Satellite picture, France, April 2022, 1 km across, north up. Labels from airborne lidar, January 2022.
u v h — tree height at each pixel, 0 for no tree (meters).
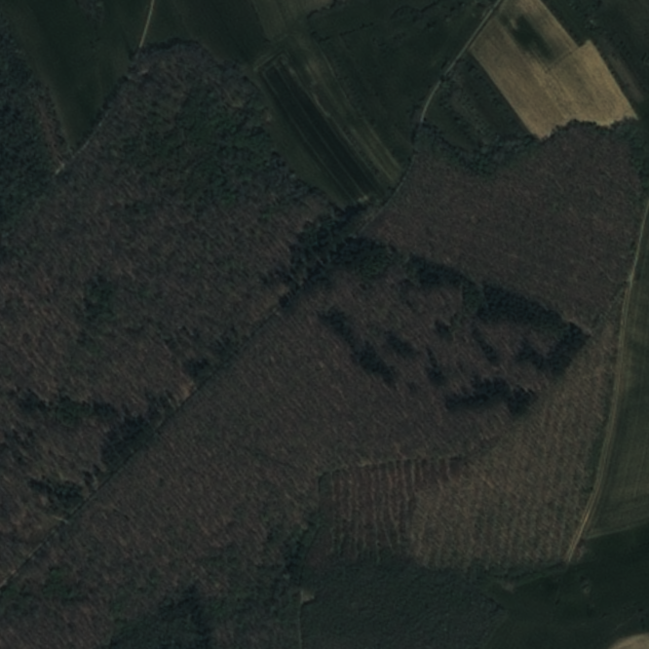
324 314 25
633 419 0
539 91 0
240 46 0
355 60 0
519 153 21
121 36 0
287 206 26
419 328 23
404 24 0
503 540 0
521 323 23
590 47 0
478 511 0
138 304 26
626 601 0
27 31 0
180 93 25
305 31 0
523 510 0
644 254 0
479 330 25
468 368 22
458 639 14
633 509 0
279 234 23
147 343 26
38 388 24
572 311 16
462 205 18
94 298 19
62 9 0
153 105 26
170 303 23
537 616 0
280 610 22
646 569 0
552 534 0
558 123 0
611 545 0
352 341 26
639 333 0
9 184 20
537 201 16
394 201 14
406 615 7
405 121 0
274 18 0
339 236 29
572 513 0
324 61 0
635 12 0
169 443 23
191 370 22
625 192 18
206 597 28
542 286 17
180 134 7
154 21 0
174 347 25
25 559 29
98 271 25
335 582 20
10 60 19
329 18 0
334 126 0
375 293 24
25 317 28
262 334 23
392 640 14
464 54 0
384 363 25
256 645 27
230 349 29
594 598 0
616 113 0
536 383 20
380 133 0
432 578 24
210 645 23
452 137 0
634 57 0
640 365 0
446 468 15
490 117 0
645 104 0
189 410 23
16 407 20
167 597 25
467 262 16
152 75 6
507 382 23
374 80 0
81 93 0
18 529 32
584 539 0
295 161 0
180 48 20
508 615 15
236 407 23
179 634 22
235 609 22
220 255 25
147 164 6
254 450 21
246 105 25
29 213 21
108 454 23
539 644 0
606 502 0
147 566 25
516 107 0
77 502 23
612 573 0
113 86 0
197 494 25
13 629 30
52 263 24
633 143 15
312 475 22
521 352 24
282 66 0
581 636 0
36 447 24
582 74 0
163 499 23
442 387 27
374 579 24
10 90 21
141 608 23
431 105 0
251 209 27
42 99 25
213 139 7
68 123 0
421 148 18
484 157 11
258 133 12
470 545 0
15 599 17
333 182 0
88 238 25
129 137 28
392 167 0
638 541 0
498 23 0
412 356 30
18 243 22
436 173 17
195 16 0
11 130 26
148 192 26
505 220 16
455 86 9
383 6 0
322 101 0
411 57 0
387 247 17
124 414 20
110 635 25
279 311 0
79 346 22
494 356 28
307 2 0
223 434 24
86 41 0
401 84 0
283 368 25
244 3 0
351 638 10
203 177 8
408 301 24
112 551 27
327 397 24
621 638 0
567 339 8
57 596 16
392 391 25
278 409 23
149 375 25
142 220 24
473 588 22
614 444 0
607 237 16
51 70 0
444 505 0
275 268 25
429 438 26
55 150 26
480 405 25
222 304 28
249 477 24
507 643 0
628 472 0
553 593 0
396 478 11
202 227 24
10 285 27
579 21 0
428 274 26
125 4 0
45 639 28
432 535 0
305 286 0
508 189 18
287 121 0
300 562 30
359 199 0
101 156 20
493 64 0
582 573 0
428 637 13
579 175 11
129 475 21
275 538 18
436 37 0
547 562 0
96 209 23
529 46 0
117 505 23
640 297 0
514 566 0
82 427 21
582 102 0
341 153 0
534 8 0
